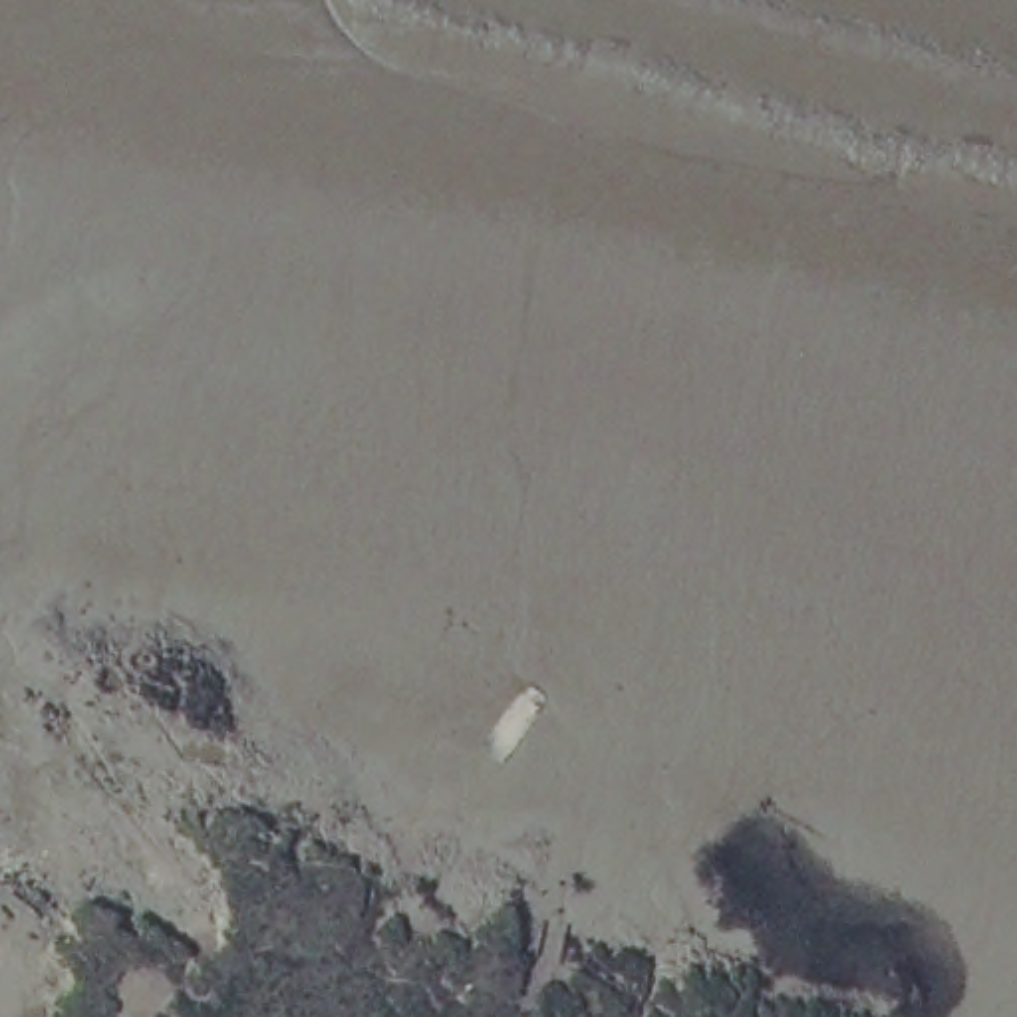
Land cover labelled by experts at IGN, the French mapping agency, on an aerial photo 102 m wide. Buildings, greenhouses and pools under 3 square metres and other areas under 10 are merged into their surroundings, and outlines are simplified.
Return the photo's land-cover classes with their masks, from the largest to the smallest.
<instances>
[{"label":"bare soil","instance_id":"1","mask_svg":"<svg viewBox=\"0 0 1017 1017\"><path fill-rule=\"evenodd\" d=\"M175 644H183V659H211L222 671L234 707V731H203L187 715L163 711L151 699H143V679L155 671L159 659H167V648ZM218 814L262 822L254 846L266 850L270 842H278L286 874H298L302 866L326 870L330 858L350 862L362 886V902L377 910V926H393V918L405 914L417 934H477V926H485L505 906L516 922V993L524 997L520 1009H540L544 985L568 981L576 969L600 985H612L624 1009L640 1013L652 993V977L671 981L683 977L691 965H739L755 977V993L775 989V997L834 1001L842 1017H1017V0H0V1017H52L56 997L75 985V973L60 961L56 942L68 938V918L79 906L111 914L119 930L131 926V910H155L159 918L191 934L203 949L226 945L230 902L222 874L211 866L207 854L191 850V838L179 834V822H207ZM123 1017H179L167 973L147 965L131 969L119 985Z\"/></svg>","mask_w":1017,"mask_h":1017},{"label":"brushwood","instance_id":"2","mask_svg":"<svg viewBox=\"0 0 1017 1017\"><path fill-rule=\"evenodd\" d=\"M143 699H151L163 711L187 715L203 731H234V707L222 671L211 659H183V644H175L167 648V659H159L155 671L143 679ZM262 822L218 814L207 822H179V834L191 838V850L207 854L211 866L222 874L230 902L226 945L203 949L191 934L159 918L155 910H131V926L119 930L111 914L79 906L68 918V938L56 942L60 961L75 973V985L56 997L52 1017H123L119 985L131 969L147 965L167 973L179 1017H842L834 1001L775 997V989L755 993V977L739 965H691L683 977L671 981L652 977V993L640 1013L624 1009L612 985H600L576 969L568 981L544 985L540 1009H520L524 997L516 993V922L505 906L485 926H477V934H417L405 914L393 918V926H377V910L362 902V886L350 862L330 858L326 870L302 866L298 874H286L278 842H270L266 850L254 846Z\"/></svg>","mask_w":1017,"mask_h":1017}]
</instances>
